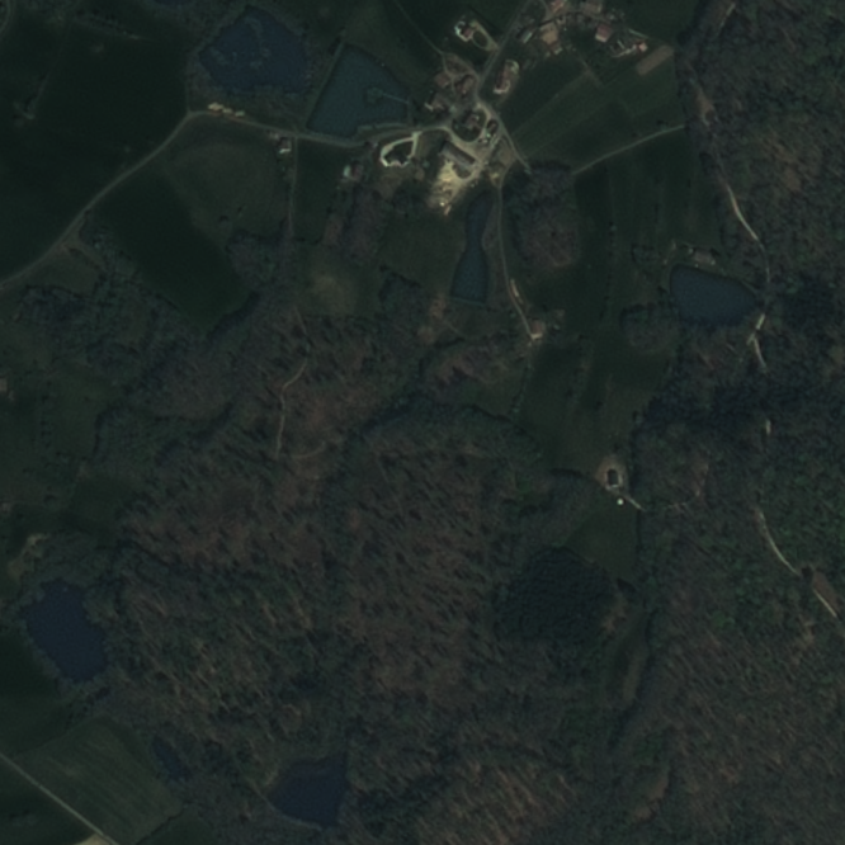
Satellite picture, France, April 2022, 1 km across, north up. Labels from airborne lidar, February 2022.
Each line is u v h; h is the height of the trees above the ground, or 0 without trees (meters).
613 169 0
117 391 0
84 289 0
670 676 31
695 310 0
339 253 12
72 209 0
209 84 13
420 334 31
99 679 17
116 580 22
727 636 25
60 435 0
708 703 30
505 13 0
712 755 28
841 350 21
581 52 0
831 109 23
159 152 0
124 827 0
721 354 31
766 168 29
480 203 0
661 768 17
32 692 0
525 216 25
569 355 0
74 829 0
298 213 0
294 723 28
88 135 0
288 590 28
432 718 29
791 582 24
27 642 15
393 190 0
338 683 25
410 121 0
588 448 0
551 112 0
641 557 19
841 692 27
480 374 22
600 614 32
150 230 0
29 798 0
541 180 26
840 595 24
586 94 0
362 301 0
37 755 0
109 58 0
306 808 0
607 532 0
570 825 22
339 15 0
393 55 0
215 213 0
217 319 0
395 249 0
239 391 28
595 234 0
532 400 0
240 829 18
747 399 30
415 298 27
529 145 0
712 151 28
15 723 0
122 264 15
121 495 0
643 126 0
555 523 28
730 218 24
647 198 0
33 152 0
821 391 24
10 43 0
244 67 0
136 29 0
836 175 23
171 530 0
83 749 0
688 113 14
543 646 31
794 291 26
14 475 0
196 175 0
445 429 27
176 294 0
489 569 28
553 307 0
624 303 0
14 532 0
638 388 0
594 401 0
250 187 0
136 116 0
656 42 0
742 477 28
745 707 22
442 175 0
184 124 0
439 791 29
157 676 25
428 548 0
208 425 0
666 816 19
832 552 20
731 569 26
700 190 0
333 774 0
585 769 10
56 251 0
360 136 0
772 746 26
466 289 0
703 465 29
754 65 28
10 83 0
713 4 21
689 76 15
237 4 15
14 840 0
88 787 0
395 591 28
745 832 20
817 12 28
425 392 24
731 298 0
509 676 26
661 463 29
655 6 0
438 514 28
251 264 27
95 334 12
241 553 0
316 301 0
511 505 16
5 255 0
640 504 25
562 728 8
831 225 30
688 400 24
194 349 34
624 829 27
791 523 20
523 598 31
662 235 0
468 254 0
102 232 8
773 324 31
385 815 27
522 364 8
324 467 0
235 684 32
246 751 27
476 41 0
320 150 0
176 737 20
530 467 28
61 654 0
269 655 19
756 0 27
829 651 24
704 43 25
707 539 27
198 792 18
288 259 29
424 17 0
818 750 25
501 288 0
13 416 0
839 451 26
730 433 33
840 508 21
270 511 0
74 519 0
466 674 0
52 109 0
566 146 0
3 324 0
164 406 29
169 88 0
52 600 0
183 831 0
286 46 0
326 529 27
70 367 0
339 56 0
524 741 23
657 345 23
